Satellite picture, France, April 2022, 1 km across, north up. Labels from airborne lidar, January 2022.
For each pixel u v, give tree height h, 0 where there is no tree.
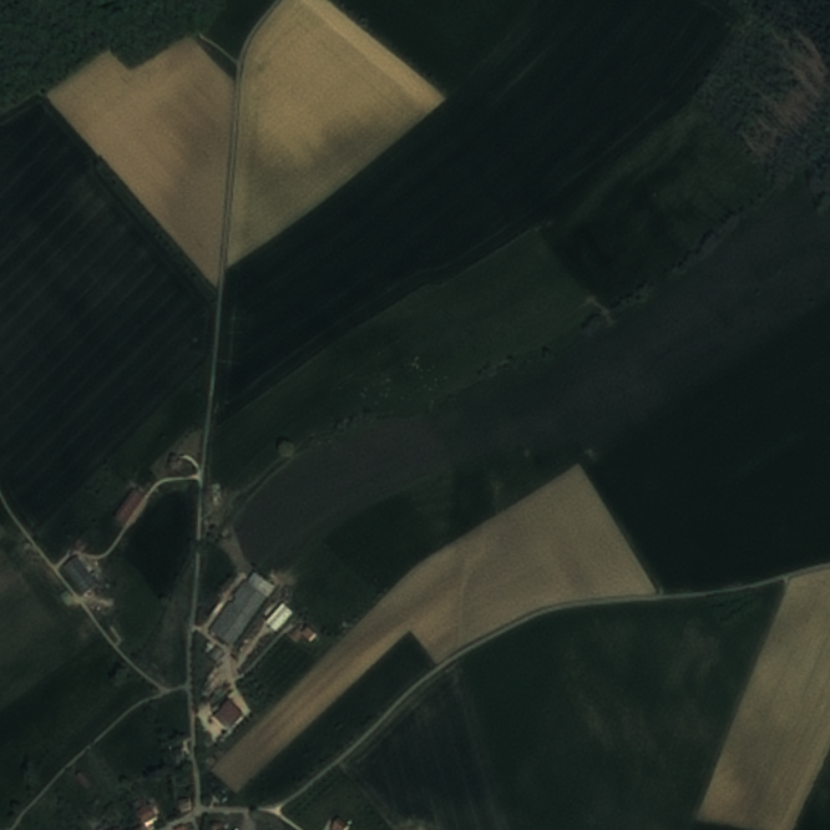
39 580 0
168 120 0
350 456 0
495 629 0
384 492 0
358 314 0
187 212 0
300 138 0
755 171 0
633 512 0
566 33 0
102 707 0
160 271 0
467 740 0
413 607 0
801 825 0
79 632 0
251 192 0
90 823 0
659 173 0
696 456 0
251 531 0
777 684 0
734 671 0
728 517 0
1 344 0
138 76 0
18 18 22
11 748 0
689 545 0
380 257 0
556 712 0
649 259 0
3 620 0
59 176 0
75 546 0
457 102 0
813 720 0
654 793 0
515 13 0
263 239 0
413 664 0
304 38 0
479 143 0
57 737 0
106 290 0
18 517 0
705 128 0
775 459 0
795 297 0
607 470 0
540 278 0
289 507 0
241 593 0
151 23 23
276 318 0
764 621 0
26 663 0
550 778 0
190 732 0
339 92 0
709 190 0
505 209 0
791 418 0
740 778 0
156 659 0
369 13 0
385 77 0
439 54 0
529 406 0
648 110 0
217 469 0
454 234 0
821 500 0
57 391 0
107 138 0
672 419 0
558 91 0
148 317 0
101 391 0
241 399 0
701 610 0
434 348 0
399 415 0
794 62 20
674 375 0
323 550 0
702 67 0
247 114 0
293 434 0
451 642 0
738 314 0
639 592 0
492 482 0
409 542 0
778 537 0
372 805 0
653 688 0
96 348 0
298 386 0
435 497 0
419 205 0
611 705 0
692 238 0
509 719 0
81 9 27
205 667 0
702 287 0
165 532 0
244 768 0
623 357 0
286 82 0
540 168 0
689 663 0
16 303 0
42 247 0
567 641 0
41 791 0
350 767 0
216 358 0
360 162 0
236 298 0
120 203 0
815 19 22
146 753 0
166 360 0
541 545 0
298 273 0
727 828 0
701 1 0
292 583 0
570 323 0
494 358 0
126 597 0
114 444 0
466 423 0
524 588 0
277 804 0
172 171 0
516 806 0
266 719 0
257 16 0
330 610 0
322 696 0
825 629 0
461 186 0
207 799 9
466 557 0
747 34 15
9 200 0
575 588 0
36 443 0
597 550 0
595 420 0
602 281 0
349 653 0
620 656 0
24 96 22
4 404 0
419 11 0
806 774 0
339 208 0
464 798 0
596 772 0
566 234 0
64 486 0
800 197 0
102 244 0
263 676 0
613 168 0
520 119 0
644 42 0
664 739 0
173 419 0
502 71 0
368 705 0
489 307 0
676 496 0
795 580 0
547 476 0
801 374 0
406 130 0
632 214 0
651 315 0
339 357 0
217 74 0
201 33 11
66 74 21
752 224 0
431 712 0
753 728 0
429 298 0
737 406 0
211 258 0
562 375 0
